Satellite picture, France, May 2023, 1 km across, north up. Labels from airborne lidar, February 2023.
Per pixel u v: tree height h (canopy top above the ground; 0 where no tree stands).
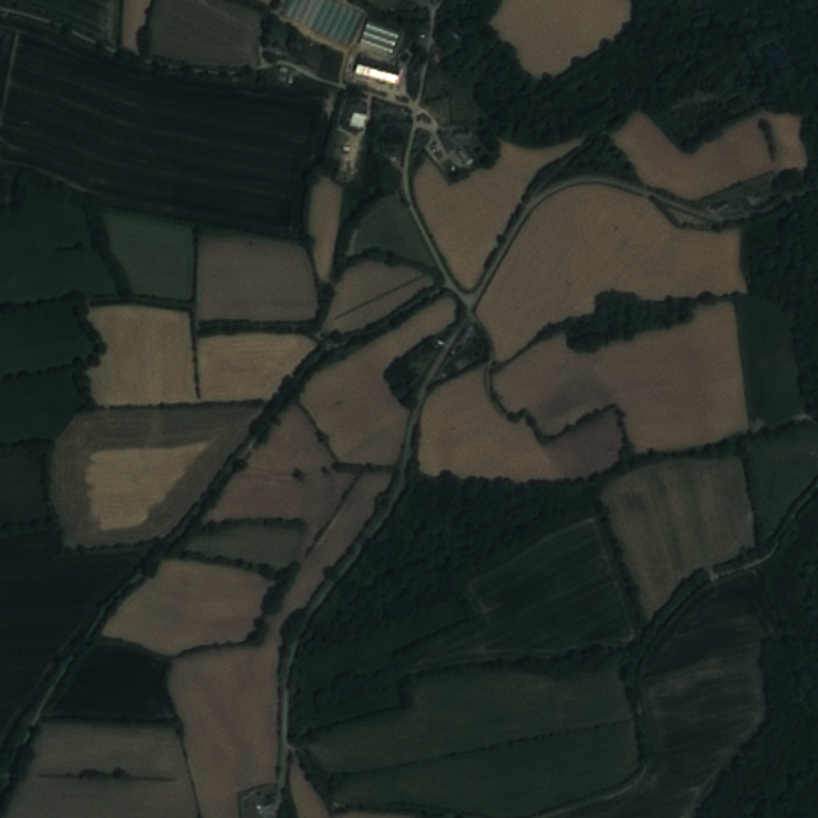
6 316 13
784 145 0
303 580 0
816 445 0
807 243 18
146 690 0
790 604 0
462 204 0
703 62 20
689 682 0
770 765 22
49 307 11
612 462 0
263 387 0
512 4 0
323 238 0
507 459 0
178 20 0
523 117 16
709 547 0
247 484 0
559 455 0
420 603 14
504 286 0
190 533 11
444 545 12
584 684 0
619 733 0
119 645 9
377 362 0
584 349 20
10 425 0
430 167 0
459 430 0
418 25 7
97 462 0
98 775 10
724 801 18
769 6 19
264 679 0
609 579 0
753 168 0
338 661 0
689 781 0
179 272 0
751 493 10
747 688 0
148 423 0
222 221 0
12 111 0
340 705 12
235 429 0
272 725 0
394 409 0
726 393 0
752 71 6
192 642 0
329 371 0
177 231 0
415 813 7
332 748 0
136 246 0
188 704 0
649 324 8
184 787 0
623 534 0
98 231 15
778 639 0
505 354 0
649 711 0
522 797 0
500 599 0
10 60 0
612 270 0
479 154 10
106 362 0
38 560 0
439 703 0
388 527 18
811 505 7
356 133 0
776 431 7
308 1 0
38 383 0
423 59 12
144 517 0
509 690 0
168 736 0
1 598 0
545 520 17
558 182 0
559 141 12
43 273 0
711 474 0
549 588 0
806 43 20
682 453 6
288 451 0
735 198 0
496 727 0
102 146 0
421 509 19
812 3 17
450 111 0
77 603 0
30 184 10
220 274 0
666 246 0
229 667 0
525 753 0
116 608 8
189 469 0
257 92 0
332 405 0
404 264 8
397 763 0
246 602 0
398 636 0
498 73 18
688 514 0
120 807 0
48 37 0
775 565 0
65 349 0
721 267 0
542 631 0
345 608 8
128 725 14
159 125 0
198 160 0
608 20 0
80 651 10
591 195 0
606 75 10
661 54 9
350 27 0
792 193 9
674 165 0
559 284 0
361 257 7
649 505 0
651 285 0
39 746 0
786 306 20
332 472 7
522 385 0
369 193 0
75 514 0
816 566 8
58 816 0
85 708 0
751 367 0
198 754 0
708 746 0
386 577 16
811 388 19
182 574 0
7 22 0
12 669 0
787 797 6
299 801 0
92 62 0
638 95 15
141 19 0
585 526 0
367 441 0
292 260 0
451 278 0
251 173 0
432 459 0
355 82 0
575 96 7
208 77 11
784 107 14
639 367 0
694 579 9
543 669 17
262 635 14
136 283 0
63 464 0
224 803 0
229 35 0
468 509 19
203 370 0
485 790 0
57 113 0
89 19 0
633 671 16
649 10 24
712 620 0
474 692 0
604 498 0
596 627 0
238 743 0
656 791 0
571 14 0
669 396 0
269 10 8
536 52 0
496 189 0
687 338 0
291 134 0
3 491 0
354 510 0
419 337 0
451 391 0
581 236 0
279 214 0
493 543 20
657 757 0
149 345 0
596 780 0
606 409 8
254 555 0
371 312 0
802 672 11
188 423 0
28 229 0
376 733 0
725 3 16
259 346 0
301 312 0
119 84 0
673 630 0
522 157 0
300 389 12
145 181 0
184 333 0
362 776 0
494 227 0
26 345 0
